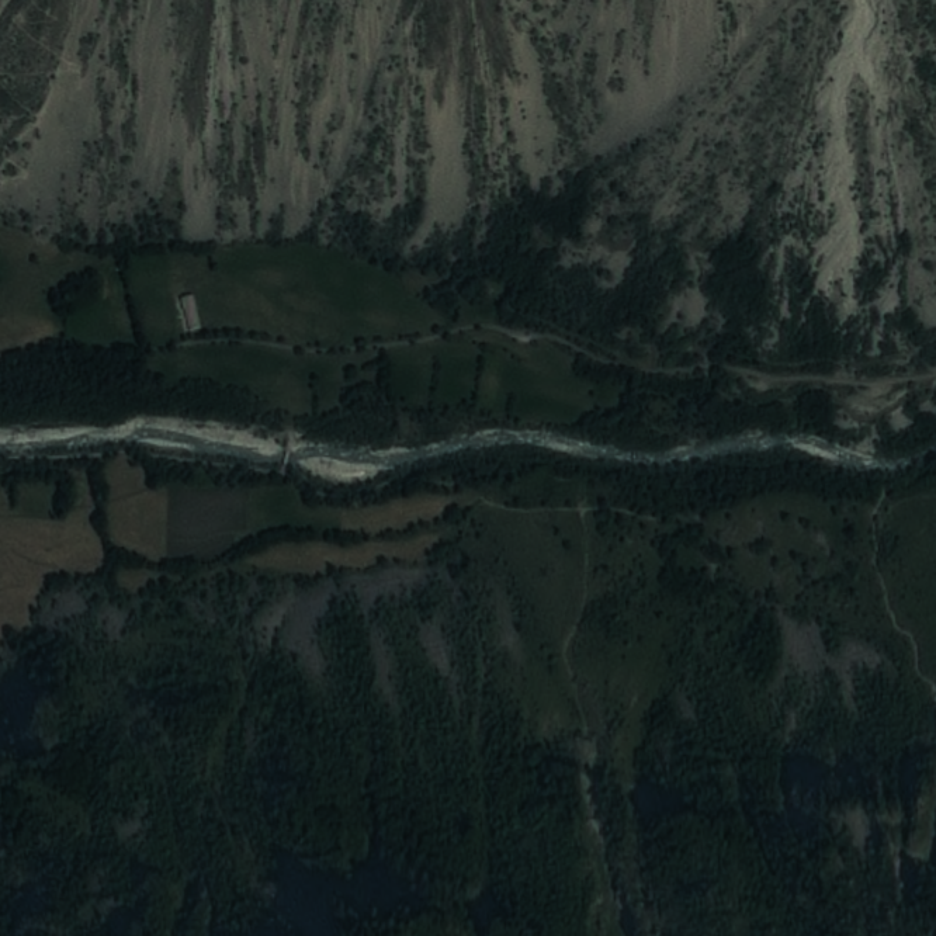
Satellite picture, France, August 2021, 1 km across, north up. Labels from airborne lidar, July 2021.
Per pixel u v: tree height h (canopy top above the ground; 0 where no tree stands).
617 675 0
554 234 6
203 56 0
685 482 10
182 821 6
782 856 6
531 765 12
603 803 6
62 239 11
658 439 6
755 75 0
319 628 6
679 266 11
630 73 0
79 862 10
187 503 0
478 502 0
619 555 0
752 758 8
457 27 0
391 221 9
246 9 0
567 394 0
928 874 9
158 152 0
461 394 0
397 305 0
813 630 0
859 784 8
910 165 0
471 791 8
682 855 6
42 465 16
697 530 10
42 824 7
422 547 0
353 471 0
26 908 9
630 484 14
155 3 0
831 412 14
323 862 7
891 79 0
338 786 14
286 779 9
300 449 0
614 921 0
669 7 0
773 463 7
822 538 0
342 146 0
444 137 0
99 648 7
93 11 0
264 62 0
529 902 6
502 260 16
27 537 0
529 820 7
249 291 0
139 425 0
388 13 0
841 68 0
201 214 0
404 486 11
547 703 0
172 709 15
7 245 0
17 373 15
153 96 0
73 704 7
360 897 13
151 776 7
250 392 12
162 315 0
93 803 8
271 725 5
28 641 15
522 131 0
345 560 0
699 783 7
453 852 7
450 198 0
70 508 19
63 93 0
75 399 11
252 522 0
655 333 12
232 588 10
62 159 0
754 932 7
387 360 10
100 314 0
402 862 9
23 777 9
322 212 10
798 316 9
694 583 7
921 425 15
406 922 14
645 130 0
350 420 8
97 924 6
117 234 12
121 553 19
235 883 6
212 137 0
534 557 0
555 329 6
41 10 0
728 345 13
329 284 0
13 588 0
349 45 0
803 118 0
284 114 0
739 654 6
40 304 0
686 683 8
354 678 7
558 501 0
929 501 0
